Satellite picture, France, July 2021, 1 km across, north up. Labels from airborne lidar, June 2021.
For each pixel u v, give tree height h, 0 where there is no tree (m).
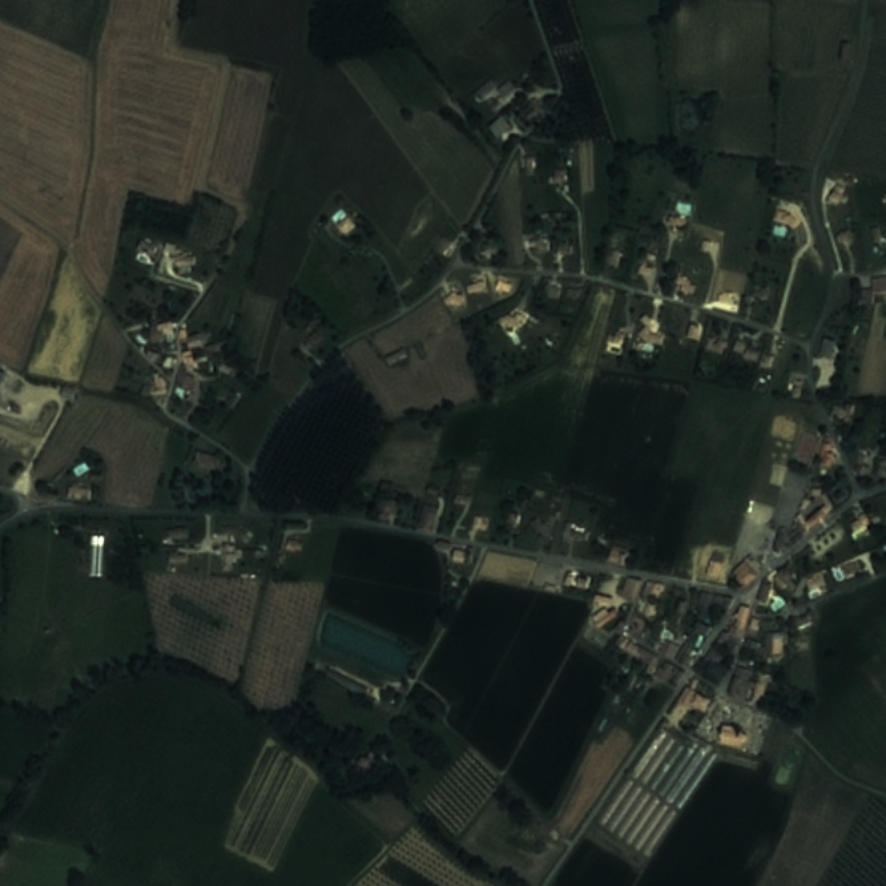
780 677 13
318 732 25
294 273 0
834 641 0
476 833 0
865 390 0
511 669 0
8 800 7
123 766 0
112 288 0
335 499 22
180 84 0
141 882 0
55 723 17
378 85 0
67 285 0
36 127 0
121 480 0
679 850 0
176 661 17
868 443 0
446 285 0
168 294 9
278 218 0
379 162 0
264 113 0
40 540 0
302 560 0
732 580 7
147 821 0
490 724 0
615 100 0
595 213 0
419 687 9
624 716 0
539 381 0
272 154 0
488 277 0
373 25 21
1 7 0
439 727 0
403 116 10
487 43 0
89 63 0
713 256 0
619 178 26
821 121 0
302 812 0
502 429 0
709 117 6
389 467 0
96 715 0
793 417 0
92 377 0
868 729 0
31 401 0
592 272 0
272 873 0
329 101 0
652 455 0
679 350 0
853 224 5
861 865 7
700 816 0
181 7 11
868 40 0
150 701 0
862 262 0
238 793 0
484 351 8
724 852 0
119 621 0
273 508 21
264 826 0
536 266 0
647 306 0
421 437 0
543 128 11
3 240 0
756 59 0
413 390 0
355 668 0
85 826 0
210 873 0
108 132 0
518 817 33
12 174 0
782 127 0
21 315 0
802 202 0
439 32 0
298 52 0
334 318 0
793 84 0
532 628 0
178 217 10
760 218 0
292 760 0
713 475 0
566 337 0
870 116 0
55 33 0
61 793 0
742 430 0
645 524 0
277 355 0
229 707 0
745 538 0
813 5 0
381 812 0
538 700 0
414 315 0
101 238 0
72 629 0
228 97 0
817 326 0
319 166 0
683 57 0
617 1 0
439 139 0
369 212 0
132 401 0
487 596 0
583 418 0
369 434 26
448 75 0
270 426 0
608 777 0
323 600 0
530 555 0
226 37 0
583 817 0
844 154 0
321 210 0
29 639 0
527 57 0
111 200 0
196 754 0
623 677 10
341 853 0
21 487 0
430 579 0
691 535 0
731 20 0
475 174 0
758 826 0
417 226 0
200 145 0
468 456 0
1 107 0
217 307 0
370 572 0
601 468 0
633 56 0
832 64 0
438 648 0
